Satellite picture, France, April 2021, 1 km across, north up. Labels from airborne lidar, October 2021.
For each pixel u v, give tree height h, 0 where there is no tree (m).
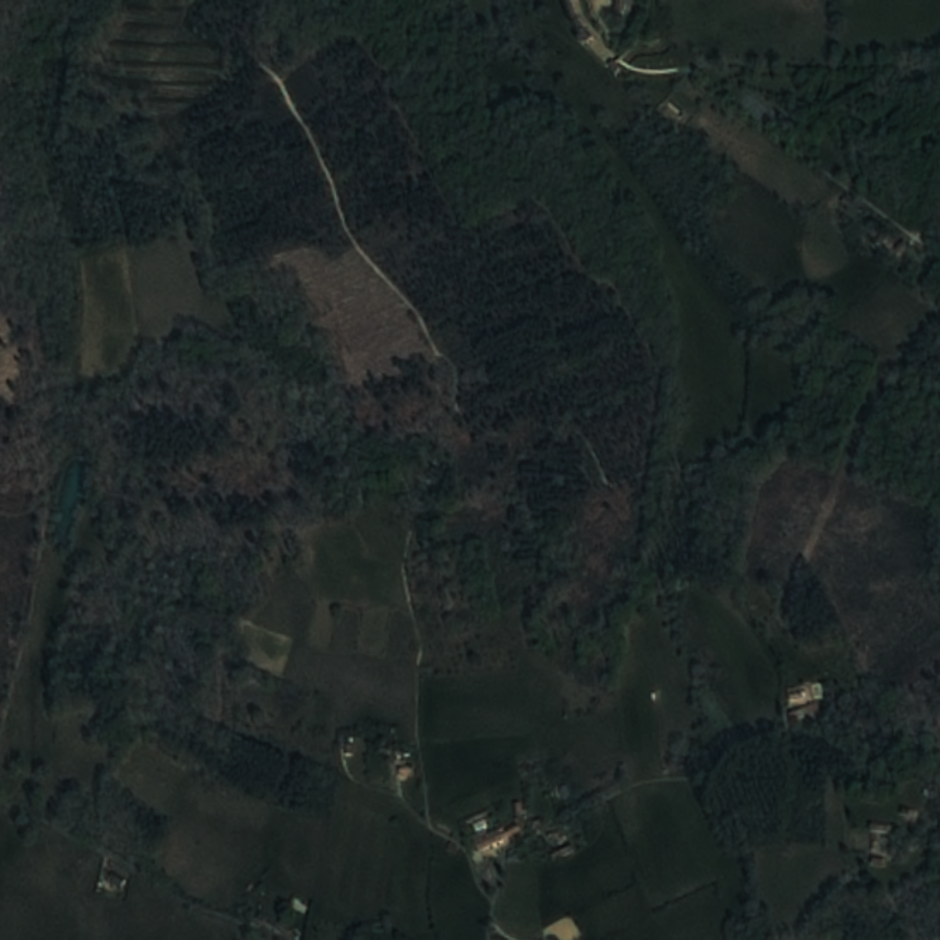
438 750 0
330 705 0
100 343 0
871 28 0
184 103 0
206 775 17
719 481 22
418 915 0
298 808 14
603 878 0
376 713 0
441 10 21
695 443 0
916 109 20
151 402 12
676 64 0
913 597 0
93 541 0
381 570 0
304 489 28
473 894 0
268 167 12
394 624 0
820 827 7
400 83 15
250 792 22
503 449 8
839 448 16
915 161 21
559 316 11
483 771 0
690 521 16
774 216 0
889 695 19
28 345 14
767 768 37
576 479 11
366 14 21
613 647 22
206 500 11
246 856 0
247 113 13
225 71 20
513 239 10
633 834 0
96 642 6
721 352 0
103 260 0
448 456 10
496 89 17
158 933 0
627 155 7
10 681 18
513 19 12
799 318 12
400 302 0
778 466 18
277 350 8
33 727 0
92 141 11
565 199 18
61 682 25
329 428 16
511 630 0
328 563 0
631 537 7
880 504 0
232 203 7
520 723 0
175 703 17
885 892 13
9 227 24
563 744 0
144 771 0
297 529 17
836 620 23
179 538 15
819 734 20
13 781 15
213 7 12
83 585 17
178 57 0
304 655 0
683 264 0
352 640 0
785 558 0
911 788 0
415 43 22
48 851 0
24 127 19
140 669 21
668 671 0
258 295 22
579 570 7
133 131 23
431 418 13
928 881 16
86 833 20
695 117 0
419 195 15
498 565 7
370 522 0
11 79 21
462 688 0
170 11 0
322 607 0
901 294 0
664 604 14
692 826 0
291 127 10
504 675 0
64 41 18
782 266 0
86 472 16
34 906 0
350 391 8
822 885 0
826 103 11
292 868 0
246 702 7
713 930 0
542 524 15
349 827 0
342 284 0
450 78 20
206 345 27
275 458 10
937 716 22
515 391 20
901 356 0
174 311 0
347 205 9
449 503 25
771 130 16
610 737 0
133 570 16
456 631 15
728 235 0
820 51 0
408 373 21
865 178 18
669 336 18
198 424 12
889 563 0
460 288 9
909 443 23
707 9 0
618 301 17
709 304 0
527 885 0
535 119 29
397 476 19
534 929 0
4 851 0
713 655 0
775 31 0
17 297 14
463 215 15
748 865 19
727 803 35
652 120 6
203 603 20
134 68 0
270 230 15
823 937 18
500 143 27
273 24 18
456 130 19
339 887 0
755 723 0
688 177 10
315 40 15
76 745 0
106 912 0
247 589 15
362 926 7
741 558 19
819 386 15
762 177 0
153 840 23
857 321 0
